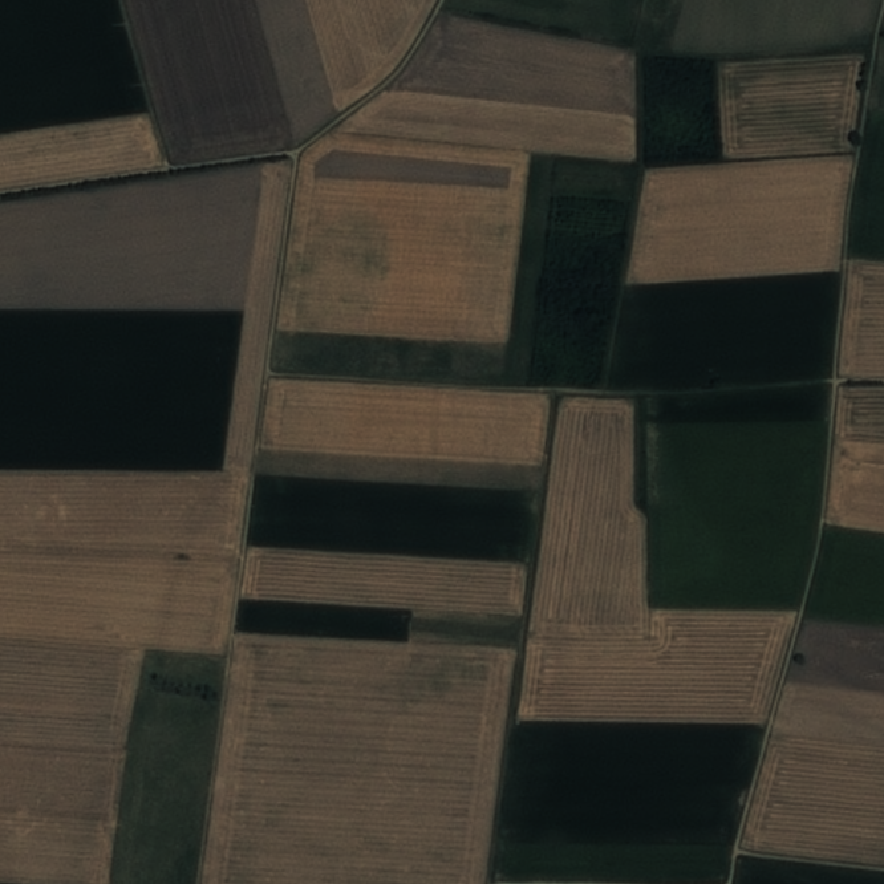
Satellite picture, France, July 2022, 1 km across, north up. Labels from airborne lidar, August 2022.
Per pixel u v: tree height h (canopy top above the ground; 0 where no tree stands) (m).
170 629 0
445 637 0
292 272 0
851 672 0
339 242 0
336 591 0
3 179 0
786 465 0
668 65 7
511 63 0
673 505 0
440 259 0
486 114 0
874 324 0
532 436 0
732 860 0
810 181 0
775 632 0
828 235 0
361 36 0
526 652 0
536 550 0
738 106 0
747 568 0
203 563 0
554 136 0
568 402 0
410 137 0
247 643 0
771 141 0
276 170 0
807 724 0
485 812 0
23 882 0
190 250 0
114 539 0
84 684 0
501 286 0
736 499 0
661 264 0
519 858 0
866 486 0
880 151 0
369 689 0
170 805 0
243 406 0
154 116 0
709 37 0
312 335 0
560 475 0
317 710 0
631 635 0
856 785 0
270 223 0
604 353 7
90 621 0
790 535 0
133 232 0
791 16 0
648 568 0
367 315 0
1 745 0
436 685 0
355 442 0
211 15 0
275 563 0
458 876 0
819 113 0
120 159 0
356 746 0
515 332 0
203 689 11
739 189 0
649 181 0
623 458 0
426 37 0
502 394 0
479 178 0
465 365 0
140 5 0
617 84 0
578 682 0
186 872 0
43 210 0
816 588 0
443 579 0
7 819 0
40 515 0
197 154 0
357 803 0
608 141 0
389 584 0
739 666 0
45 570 0
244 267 0
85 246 0
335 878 0
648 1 0
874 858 0
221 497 0
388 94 0
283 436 0
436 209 0
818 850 0
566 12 0
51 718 0
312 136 0
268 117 0
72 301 0
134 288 0
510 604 0
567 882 0
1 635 0
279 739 0
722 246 0
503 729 0
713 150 8
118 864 0
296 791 0
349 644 0
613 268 6
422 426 0
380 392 0
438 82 0
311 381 0
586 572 0
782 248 0
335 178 0
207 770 0
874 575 0
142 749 0
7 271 0
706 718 0
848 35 0
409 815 0
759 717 0
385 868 0
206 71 0
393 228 0
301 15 0
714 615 0
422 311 0
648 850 0
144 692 0
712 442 0
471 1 0
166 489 0
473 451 0
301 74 0
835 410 0
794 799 0
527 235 0
